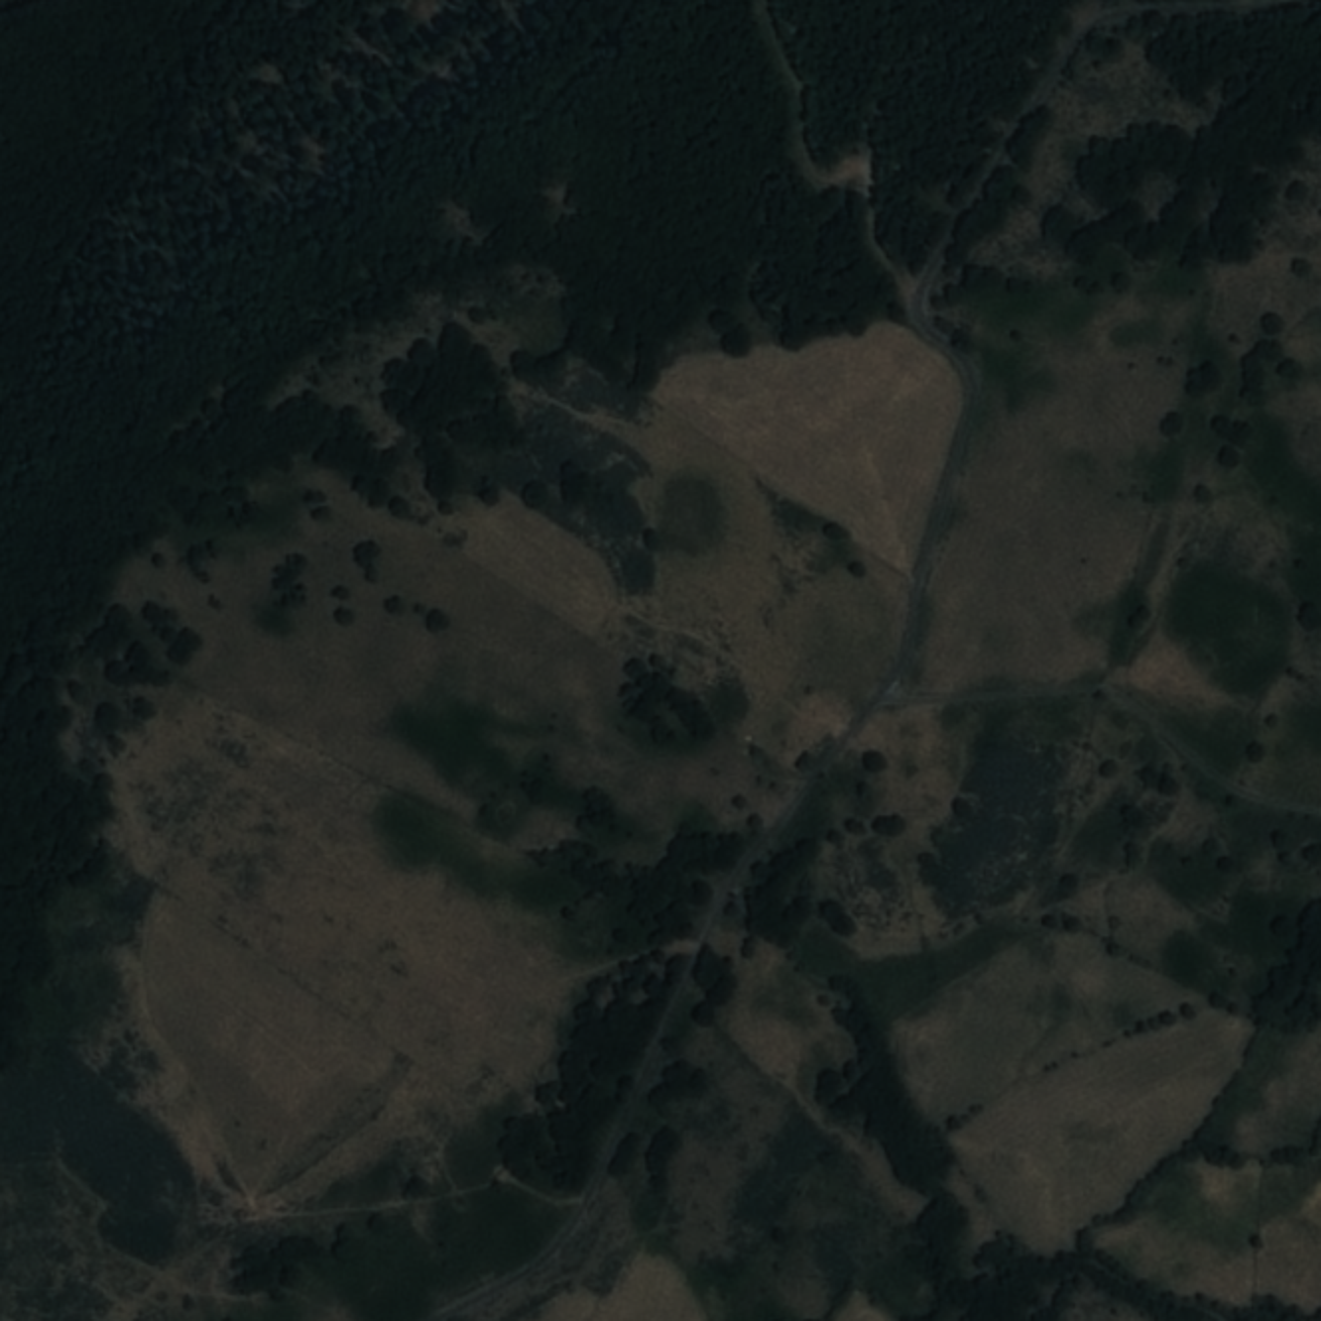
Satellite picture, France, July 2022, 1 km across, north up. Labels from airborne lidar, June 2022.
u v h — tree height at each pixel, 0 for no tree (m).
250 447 10
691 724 11
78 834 10
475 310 9
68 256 21
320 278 17
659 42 14
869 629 0
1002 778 0
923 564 0
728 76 15
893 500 0
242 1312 0
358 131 26
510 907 0
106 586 11
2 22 15
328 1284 0
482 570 0
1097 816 0
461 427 13
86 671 0
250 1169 0
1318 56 15
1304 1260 0
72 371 22
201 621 0
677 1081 15
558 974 0
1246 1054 7
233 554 0
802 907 13
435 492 13
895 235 15
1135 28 10
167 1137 0
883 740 0
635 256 13
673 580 0
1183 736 0
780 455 0
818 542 0
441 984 0
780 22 15
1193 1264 0
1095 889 0
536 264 7
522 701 0
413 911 0
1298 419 0
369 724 0
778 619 0
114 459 18
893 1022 0
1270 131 13
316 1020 0
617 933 8
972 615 0
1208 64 13
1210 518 0
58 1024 0
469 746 0
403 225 15
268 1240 0
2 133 21
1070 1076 0
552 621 0
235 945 0
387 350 0
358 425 9
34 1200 0
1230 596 0
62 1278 0
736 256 13
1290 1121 0
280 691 0
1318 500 0
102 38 14
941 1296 7
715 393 0
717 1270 0
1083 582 0
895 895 0
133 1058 0
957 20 17
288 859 0
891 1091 14
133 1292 0
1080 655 0
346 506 0
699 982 15
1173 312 0
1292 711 0
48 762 14
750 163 15
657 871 10
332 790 0
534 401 0
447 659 0
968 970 0
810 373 0
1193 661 0
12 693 13
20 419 16
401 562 0
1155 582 0
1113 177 13
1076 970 0
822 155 16
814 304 15
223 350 11
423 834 0
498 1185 9
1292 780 0
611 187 15
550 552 0
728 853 14
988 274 14
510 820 0
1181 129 11
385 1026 0
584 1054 9
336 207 26
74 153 14
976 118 16
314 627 0
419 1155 0
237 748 0
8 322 27
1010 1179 0
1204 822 0
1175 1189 0
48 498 19
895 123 12
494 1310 0
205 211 16
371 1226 10
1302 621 10
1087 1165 0
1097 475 0
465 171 17
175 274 22
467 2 22
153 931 0
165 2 13
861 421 0
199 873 0
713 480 0
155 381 11
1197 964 0
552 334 0
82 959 0
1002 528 0
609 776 0
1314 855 12
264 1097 0
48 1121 0
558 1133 13
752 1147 0
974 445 0
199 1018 0
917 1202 0
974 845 0
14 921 12
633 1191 0
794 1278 0
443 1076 0
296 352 13
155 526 12
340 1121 0
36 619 15
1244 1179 0
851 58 15
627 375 6
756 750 8
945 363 0
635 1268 0
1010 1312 15
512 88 26
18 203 22
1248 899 0
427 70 26
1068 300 0
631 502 0
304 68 20
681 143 16
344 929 0
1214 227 11
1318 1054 0
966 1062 0
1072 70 9
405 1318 0
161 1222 0
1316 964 14
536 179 11
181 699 0
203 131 22
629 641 0
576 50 26
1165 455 0
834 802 0
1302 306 0
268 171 25
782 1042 0
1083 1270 11
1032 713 0
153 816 0
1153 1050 0
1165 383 0
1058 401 0
